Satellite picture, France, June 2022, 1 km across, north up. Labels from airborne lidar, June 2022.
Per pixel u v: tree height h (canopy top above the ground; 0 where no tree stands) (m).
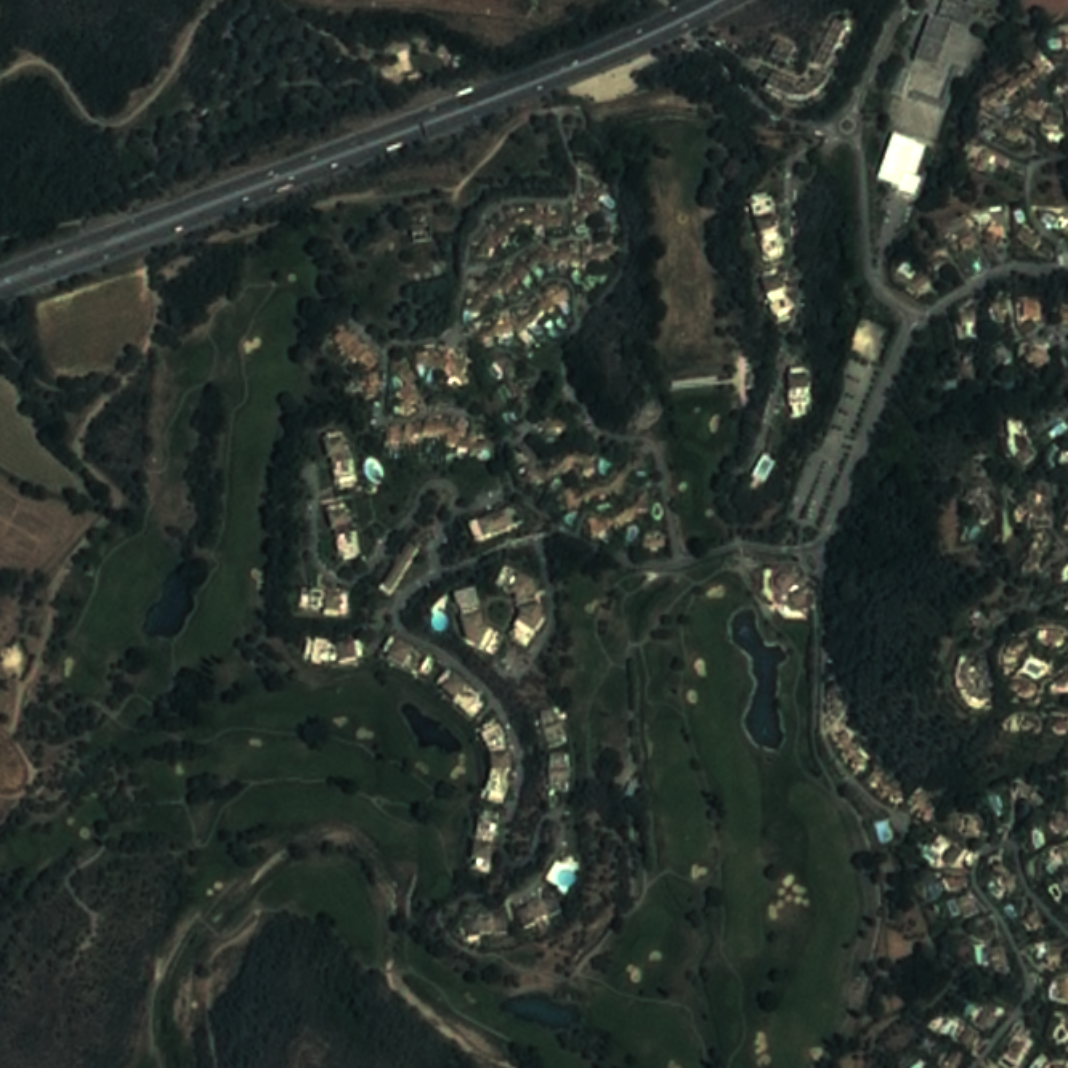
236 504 0
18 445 0
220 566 0
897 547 21
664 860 0
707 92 10
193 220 0
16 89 12
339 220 8
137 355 14
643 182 16
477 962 8
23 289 0
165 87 0
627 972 0
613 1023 0
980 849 9
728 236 13
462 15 0
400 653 0
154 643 0
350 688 0
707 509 0
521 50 7
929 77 0
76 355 0
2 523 0
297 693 0
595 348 7
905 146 0
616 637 0
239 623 0
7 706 0
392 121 0
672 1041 0
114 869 7
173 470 0
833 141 0
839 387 8
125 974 8
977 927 15
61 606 10
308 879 0
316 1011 9
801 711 0
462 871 9
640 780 7
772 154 15
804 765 0
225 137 15
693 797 0
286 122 23
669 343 0
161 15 7
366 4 0
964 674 0
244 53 23
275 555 13
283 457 16
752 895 0
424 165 8
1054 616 12
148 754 10
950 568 16
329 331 10
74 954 6
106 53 11
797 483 6
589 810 10
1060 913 6
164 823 0
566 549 21
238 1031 8
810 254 7
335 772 0
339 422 8
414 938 8
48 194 15
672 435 10
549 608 0
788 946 0
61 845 0
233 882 0
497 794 0
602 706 0
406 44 21
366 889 0
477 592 11
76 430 0
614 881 8
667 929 0
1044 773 10
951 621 7
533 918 0
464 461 7
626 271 9
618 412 14
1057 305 7
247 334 0
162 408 0
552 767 0
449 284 17
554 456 14
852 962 0
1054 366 10
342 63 9
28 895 9
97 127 10
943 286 16
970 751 16
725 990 0
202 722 14
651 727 0
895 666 18
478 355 10
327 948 10
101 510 8
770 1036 0
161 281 8
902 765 17
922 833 11
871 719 14
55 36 7
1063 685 0
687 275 0
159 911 8
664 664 0
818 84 0
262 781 0
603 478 8
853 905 0
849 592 21
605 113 0
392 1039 7
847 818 0
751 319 8
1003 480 9
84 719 11
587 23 6
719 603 0
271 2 23
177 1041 0
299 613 8
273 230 12
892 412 17
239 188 0
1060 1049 6
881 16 10
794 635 0
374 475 0
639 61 0
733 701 0
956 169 16
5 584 12
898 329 8
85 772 10
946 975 13
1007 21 8
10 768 0
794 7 6
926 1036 7
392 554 9
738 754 0
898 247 11
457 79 14
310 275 0
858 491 16
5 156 9
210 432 13
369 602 12
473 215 15
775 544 12
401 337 15
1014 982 15
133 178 9
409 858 0
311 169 0
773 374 7
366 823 0
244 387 0
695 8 0
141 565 0
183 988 0
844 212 8
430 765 0
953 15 0
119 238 0
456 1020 0
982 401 22
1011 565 10
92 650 0
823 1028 0
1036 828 18
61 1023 0
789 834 0
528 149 0
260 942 9
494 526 0
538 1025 0
